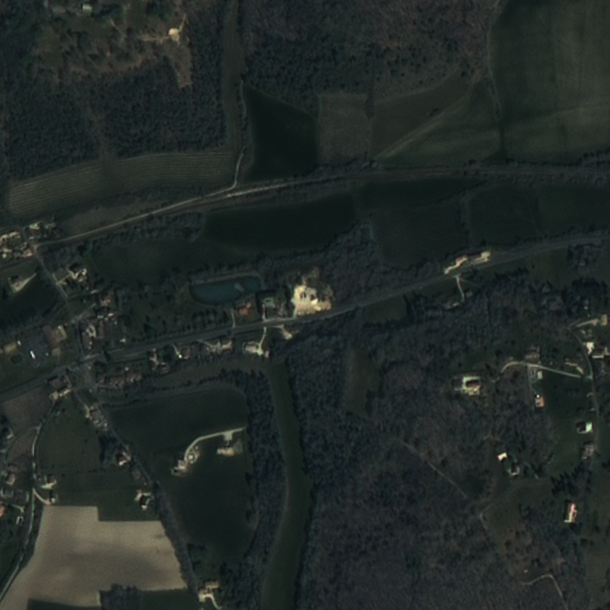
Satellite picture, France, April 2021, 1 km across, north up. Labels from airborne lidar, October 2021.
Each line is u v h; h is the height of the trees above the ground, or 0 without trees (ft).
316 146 0
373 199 0
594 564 0
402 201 0
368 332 50
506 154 0
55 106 77
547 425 83
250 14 65
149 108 50
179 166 0
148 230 34
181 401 0
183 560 63
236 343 41
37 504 23
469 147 0
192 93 33
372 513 27
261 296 33
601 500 0
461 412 71
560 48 0
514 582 56
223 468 0
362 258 43
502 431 31
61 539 0
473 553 27
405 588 40
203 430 0
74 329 26
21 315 0
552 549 69
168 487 0
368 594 34
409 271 34
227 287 0
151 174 0
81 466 0
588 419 0
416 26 45
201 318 38
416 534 32
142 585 0
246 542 0
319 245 0
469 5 23
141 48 63
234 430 0
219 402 0
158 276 0
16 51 75
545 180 34
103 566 0
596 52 0
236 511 0
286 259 25
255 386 40
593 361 37
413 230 0
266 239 0
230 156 0
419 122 0
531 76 0
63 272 47
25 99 74
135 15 0
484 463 40
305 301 0
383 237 0
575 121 0
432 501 29
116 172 0
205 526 0
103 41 0
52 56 0
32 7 60
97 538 0
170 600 0
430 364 38
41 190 0
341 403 62
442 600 62
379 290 57
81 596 0
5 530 40
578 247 20
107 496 0
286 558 0
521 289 65
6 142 39
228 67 0
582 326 0
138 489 0
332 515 32
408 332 76
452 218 0
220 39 67
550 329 49
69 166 22
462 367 31
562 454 0
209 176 0
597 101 0
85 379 0
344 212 0
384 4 35
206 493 0
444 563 23
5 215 0
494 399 30
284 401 0
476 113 0
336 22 56
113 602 23
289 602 0
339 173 63
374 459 60
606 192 0
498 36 0
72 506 0
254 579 58
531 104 0
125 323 34
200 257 0
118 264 0
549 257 0
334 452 55
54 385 0
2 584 21
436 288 0
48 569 0
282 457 25
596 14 0
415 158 0
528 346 0
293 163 0
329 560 22
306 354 66
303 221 0
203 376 0
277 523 53
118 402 0
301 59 53
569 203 0
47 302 0
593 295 46
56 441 0
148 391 18
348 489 64
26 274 0
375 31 63
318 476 59
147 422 0
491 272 0
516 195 0
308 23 62
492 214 0
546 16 0
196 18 59
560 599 28
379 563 29
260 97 0
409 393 47
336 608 52
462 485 0
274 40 58
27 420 0
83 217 0
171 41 31
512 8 0
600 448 0
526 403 25
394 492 31
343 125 0
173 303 48
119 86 59
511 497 0
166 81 40
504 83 0
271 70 20
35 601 0
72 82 72
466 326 35
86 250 48
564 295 31
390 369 37
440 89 0
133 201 31
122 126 62
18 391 0
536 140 0
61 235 22
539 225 0
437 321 50
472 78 25
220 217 0
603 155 41
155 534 0
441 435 73
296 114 0
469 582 50
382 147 0
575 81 0
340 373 79
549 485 0
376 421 54
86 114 67
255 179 0
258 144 0
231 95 0
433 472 32
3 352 44
